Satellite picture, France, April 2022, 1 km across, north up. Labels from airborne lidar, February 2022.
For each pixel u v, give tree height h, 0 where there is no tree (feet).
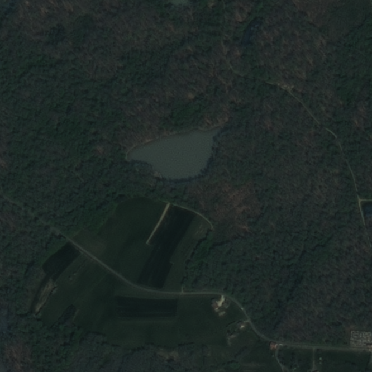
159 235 0
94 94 90
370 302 94
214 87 86
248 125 67
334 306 95
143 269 0
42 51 85
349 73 89
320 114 82
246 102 64
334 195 91
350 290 96
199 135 0
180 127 73
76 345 72
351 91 81
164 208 0
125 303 0
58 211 89
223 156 70
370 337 0
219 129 0
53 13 85
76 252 0
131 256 0
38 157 78
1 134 82
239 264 93
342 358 0
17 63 74
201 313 0
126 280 0
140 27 89
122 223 0
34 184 80
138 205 0
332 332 89
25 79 73
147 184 99
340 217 72
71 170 73
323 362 0
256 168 78
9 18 90
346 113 84
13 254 87
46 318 0
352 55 94
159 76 58
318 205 85
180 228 0
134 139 93
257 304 96
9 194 73
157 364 78
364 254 75
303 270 94
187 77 96
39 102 92
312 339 68
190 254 0
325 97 78
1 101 87
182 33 75
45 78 85
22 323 95
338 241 87
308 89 85
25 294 88
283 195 77
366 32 88
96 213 84
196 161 0
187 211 0
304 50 96
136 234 0
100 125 86
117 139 27
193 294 0
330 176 80
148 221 0
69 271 0
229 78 81
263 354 0
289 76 90
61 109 74
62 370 65
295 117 79
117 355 21
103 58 94
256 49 93
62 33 77
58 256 0
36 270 96
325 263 77
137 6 78
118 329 0
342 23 42
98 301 0
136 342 0
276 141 91
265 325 55
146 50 91
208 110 92
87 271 0
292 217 65
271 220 77
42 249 89
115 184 81
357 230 70
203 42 92
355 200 94
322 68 84
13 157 85
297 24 86
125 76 89
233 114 82
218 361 0
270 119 84
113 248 0
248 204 28
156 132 84
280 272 88
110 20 100
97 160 61
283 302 61
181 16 84
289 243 90
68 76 91
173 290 0
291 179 80
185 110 75
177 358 0
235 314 0
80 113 88
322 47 0
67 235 56
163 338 0
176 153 0
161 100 89
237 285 84
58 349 100
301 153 92
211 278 100
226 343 0
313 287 98
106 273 0
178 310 0
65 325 67
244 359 0
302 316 79
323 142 76
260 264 59
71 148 84
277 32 93
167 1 64
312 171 73
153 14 91
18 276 96
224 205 26
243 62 94
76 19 70
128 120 86
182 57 57
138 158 0
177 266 0
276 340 0
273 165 85
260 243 85
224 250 95
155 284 0
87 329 0
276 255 81
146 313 0
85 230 54
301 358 0
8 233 101
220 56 95
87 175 79
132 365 79
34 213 58
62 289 0
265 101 80
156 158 0
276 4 85
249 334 0
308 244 61
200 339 0
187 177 0
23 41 81
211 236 52
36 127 87
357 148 87
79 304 0
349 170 82
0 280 91
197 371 57
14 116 78
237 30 83
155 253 0
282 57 94
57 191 87
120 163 85
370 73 92
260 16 72
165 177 0
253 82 60
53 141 80
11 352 75
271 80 74
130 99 93
